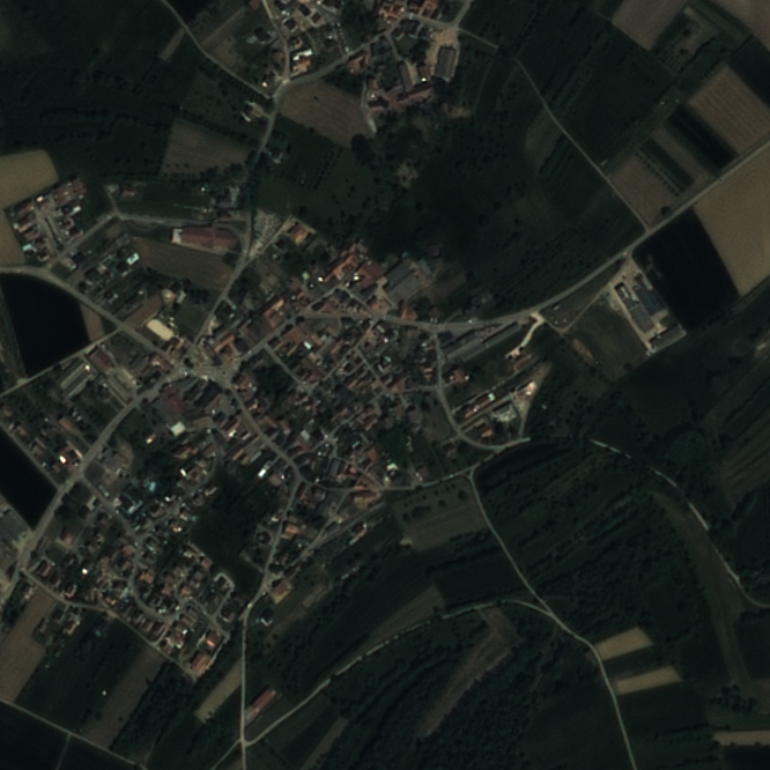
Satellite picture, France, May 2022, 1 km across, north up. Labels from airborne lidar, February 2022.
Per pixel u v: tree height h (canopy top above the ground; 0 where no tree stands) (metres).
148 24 0
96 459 0
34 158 0
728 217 0
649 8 0
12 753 0
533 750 0
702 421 16
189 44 0
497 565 0
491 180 0
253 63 0
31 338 0
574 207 0
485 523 0
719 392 7
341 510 0
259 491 0
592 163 0
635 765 0
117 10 0
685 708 0
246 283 10
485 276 0
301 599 0
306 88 0
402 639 6
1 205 0
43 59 0
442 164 0
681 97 0
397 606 0
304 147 0
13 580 0
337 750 16
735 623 0
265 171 12
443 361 0
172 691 7
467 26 0
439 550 0
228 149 0
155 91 0
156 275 6
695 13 0
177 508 0
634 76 0
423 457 0
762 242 0
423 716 14
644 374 0
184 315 0
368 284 0
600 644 0
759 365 0
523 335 0
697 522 0
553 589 13
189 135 0
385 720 9
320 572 0
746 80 0
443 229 0
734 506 0
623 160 0
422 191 0
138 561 0
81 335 0
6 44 0
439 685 15
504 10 0
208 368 0
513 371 0
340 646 8
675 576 12
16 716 0
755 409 0
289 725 0
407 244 0
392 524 0
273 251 0
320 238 0
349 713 9
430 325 0
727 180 0
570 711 0
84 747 0
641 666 0
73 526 0
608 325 0
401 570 0
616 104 0
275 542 0
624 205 0
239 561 0
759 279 0
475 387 0
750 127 0
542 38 0
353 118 0
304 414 0
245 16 0
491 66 0
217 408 0
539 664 10
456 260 0
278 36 0
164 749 0
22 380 0
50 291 0
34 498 0
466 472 0
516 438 10
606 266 0
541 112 0
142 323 0
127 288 0
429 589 0
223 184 0
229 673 0
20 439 0
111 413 0
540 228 0
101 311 0
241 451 0
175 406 0
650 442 14
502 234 0
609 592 9
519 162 0
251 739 0
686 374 0
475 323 0
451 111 0
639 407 0
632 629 0
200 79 0
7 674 0
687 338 0
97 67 0
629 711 0
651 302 0
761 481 0
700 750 0
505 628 0
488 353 0
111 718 0
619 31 0
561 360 0
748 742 0
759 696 0
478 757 10
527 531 0
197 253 0
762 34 0
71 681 0
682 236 0
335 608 7
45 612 0
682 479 16
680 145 0
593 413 7
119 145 0
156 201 0
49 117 15
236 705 0
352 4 7
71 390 0
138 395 0
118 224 0
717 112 0
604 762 0
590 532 7
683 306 0
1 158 0
